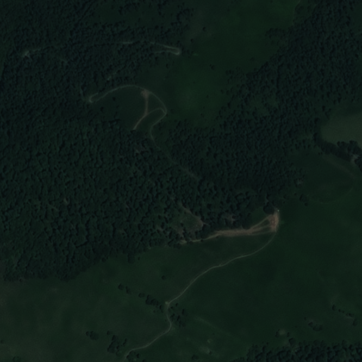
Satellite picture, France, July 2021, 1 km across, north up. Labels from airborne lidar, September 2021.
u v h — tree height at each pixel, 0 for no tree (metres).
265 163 22
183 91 0
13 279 11
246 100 11
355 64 14
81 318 0
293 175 17
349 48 12
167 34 19
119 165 25
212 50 0
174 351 0
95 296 0
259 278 0
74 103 20
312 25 11
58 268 21
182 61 0
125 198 32
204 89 0
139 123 0
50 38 24
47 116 24
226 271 0
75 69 21
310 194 0
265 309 0
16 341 0
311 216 0
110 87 8
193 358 11
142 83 0
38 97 21
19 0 13
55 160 26
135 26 6
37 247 22
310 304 0
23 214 21
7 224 11
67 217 27
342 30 12
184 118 0
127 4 6
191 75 0
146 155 32
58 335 0
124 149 29
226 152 18
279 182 18
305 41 28
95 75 10
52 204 24
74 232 27
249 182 21
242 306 0
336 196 0
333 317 0
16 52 12
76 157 27
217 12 0
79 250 24
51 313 0
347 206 0
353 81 28
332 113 12
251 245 0
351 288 0
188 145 24
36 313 0
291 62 20
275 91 6
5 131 28
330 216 0
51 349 0
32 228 20
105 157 25
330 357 29
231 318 0
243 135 15
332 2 26
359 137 0
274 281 0
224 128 13
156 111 0
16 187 26
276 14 0
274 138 12
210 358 0
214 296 0
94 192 27
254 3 0
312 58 18
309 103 8
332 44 7
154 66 10
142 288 0
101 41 17
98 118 20
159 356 0
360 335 0
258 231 0
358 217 0
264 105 7
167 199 29
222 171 16
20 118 20
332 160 0
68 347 0
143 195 29
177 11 0
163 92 0
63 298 0
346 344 17
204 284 0
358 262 0
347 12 8
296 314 0
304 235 0
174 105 0
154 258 0
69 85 18
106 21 0
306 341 8
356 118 0
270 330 0
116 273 0
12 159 27
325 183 0
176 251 0
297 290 0
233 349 0
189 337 0
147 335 0
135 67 18
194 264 0
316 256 0
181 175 23
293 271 0
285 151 16
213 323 0
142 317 0
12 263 15
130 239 23
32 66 22
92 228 26
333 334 0
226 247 0
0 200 25
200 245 0
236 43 0
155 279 0
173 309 19
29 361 0
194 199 33
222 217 26
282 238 0
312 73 7
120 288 18
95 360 0
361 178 0
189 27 8
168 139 8
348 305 0
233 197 26
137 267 0
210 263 0
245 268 0
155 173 25
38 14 21
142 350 0
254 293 0
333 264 0
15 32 21
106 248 18
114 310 0
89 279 0
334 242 0
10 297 0
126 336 0
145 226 21
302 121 21
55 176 30
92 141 17
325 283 0
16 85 8
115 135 26
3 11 19
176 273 0
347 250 0
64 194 24
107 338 0
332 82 13
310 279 0
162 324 0
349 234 0
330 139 0
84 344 0
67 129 31
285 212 0
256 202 19
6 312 0
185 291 0
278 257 0
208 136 7
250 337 0
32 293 0
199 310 0
